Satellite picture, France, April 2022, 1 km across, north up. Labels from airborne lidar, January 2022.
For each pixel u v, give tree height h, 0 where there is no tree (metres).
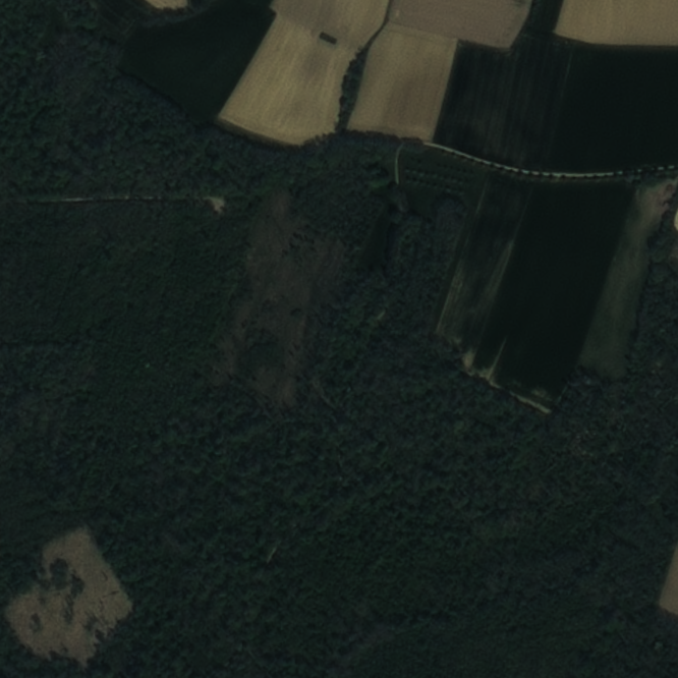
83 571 0
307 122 0
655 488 26
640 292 0
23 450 26
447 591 32
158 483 15
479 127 0
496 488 8
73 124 34
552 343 0
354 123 0
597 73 0
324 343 28
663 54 0
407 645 15
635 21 0
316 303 0
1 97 19
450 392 6
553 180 7
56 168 28
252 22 0
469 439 18
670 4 0
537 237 0
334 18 0
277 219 0
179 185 7
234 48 0
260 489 13
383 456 27
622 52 0
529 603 17
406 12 0
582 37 0
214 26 0
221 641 24
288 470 30
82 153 27
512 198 0
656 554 21
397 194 16
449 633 21
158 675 25
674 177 0
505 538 29
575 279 0
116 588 0
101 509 11
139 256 8
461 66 0
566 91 0
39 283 11
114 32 0
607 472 33
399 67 0
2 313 13
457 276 0
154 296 16
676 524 21
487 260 0
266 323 0
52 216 10
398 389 38
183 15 17
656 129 0
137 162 30
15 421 24
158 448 28
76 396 17
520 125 0
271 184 26
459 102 0
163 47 0
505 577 26
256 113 0
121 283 11
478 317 0
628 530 26
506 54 0
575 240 0
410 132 0
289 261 0
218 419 16
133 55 0
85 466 23
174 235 11
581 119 0
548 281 0
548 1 0
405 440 31
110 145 30
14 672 23
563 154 0
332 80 0
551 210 0
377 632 31
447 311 0
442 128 0
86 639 0
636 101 0
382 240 0
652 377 23
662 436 25
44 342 22
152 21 18
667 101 0
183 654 21
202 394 10
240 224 13
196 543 15
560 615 16
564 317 0
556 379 0
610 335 0
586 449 10
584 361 0
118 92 28
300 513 24
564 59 0
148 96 30
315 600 8
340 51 0
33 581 22
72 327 9
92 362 19
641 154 0
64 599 0
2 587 11
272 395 0
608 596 30
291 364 0
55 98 26
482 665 17
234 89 0
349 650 33
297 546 27
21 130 24
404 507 17
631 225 0
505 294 0
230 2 0
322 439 9
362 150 25
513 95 0
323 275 0
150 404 21
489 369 0
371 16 0
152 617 29
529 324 0
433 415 22
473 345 0
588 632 17
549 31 0
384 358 29
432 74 0
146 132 28
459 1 0
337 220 10
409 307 27
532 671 18
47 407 29
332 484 17
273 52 0
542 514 19
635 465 32
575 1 0
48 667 13
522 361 0
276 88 0
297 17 0
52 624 0
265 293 0
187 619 22
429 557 16
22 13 25
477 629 17
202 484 24
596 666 26
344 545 16
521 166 0
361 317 26
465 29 0
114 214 13
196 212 15
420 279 28
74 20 22
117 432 17
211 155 18
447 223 25
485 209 0
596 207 0
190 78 0
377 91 0
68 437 26
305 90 0
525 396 0
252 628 24
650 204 0
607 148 0
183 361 19
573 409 10
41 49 13
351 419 32
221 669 26
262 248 0
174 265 12
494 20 0
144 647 25
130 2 0
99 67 30
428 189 0
